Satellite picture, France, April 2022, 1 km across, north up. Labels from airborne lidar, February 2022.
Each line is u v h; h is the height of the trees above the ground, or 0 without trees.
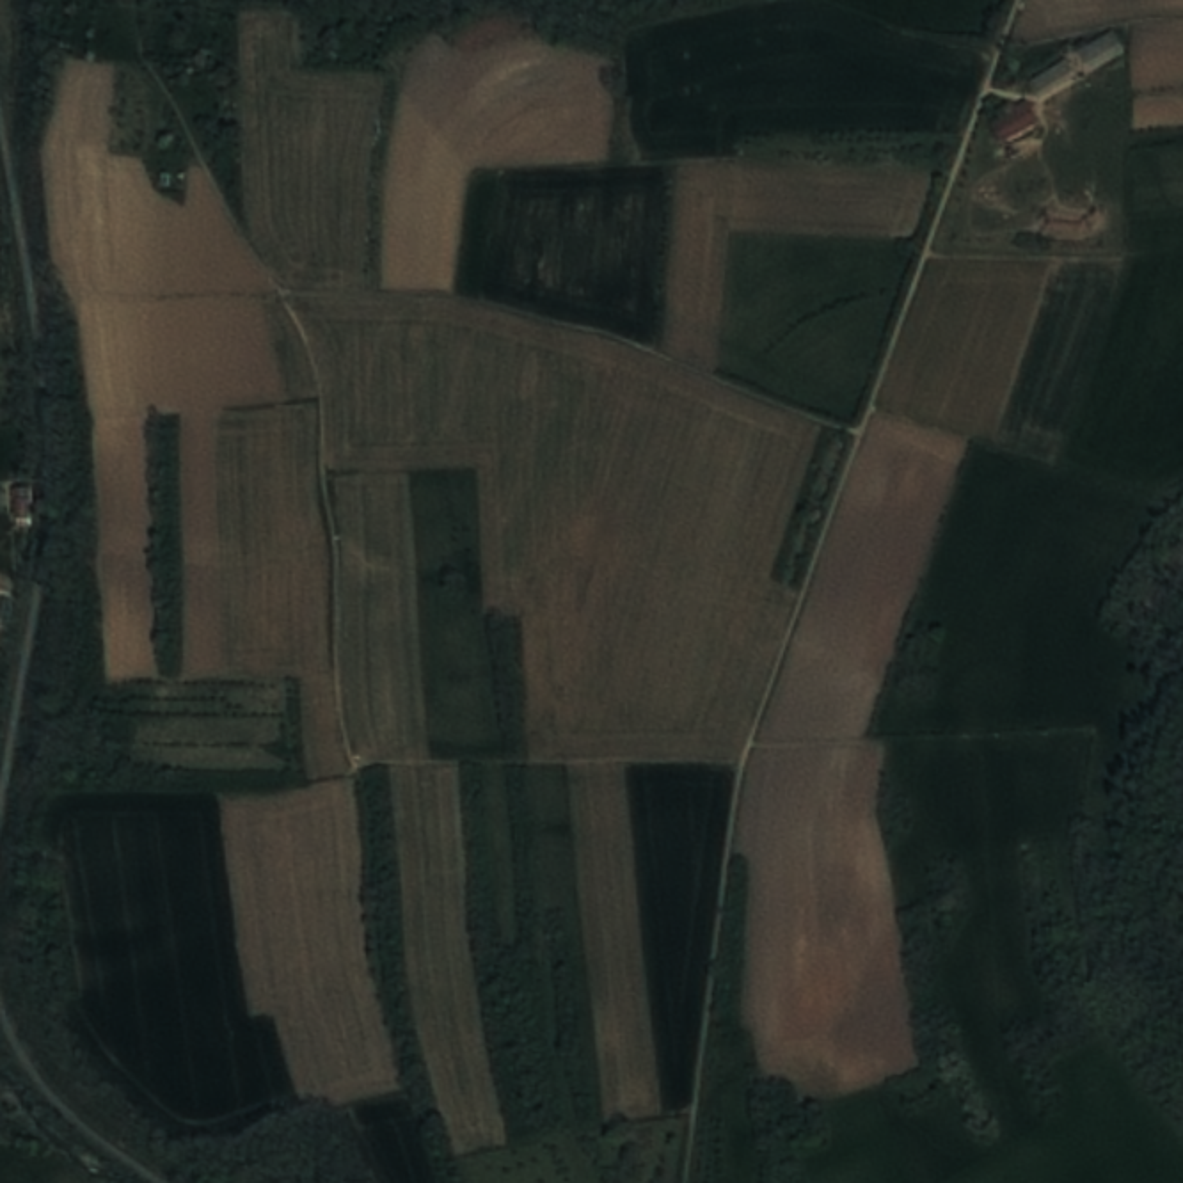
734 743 0
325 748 0
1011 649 0
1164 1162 0
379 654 0
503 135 0
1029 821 0
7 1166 0
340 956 0
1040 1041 11
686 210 0
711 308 0
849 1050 0
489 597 0
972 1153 0
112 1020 0
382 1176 0
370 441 0
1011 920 0
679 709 0
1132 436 0
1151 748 22
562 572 0
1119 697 0
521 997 12
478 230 0
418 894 0
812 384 0
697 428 0
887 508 0
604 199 0
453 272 0
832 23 0
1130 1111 0
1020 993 0
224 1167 24
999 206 0
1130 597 12
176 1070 0
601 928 0
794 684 0
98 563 0
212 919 0
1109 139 0
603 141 0
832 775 0
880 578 0
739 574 0
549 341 0
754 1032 0
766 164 0
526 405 0
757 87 0
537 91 0
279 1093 0
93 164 0
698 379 0
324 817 0
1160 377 0
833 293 0
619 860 0
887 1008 0
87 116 0
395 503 0
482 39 13
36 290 0
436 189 0
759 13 0
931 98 0
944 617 0
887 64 0
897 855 0
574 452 0
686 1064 0
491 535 0
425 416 0
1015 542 0
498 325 0
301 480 0
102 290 0
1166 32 0
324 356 0
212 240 0
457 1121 0
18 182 0
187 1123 0
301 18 6
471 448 0
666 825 0
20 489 0
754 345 0
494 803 0
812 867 0
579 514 0
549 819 0
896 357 0
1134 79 0
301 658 0
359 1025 0
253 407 0
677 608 0
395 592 0
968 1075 16
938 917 11
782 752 0
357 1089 0
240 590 0
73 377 16
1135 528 0
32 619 0
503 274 0
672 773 0
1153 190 0
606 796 0
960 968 0
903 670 13
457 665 0
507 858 0
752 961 0
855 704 0
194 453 0
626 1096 0
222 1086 0
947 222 0
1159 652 7
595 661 0
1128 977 16
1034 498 0
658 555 0
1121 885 17
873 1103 0
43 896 7
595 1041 0
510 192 0
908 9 0
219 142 10
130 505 0
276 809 0
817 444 0
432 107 0
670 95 0
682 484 0
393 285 0
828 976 0
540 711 0
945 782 0
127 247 0
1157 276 0
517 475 0
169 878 0
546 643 0
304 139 0
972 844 0
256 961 0
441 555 0
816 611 0
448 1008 0
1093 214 0
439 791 0
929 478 0
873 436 0
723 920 6
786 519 0
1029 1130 0
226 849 0
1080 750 0
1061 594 0
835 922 0
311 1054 0
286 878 0
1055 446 0
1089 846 15
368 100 0
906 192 0
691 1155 0
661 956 0
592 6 29
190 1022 0
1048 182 0
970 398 0
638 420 0
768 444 0
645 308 0
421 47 0
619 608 0
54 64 22
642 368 0
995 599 0
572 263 0
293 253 0
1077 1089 0
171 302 0
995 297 0
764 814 0
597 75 0
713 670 0
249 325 0
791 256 0
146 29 13
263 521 0
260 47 0
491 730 0
